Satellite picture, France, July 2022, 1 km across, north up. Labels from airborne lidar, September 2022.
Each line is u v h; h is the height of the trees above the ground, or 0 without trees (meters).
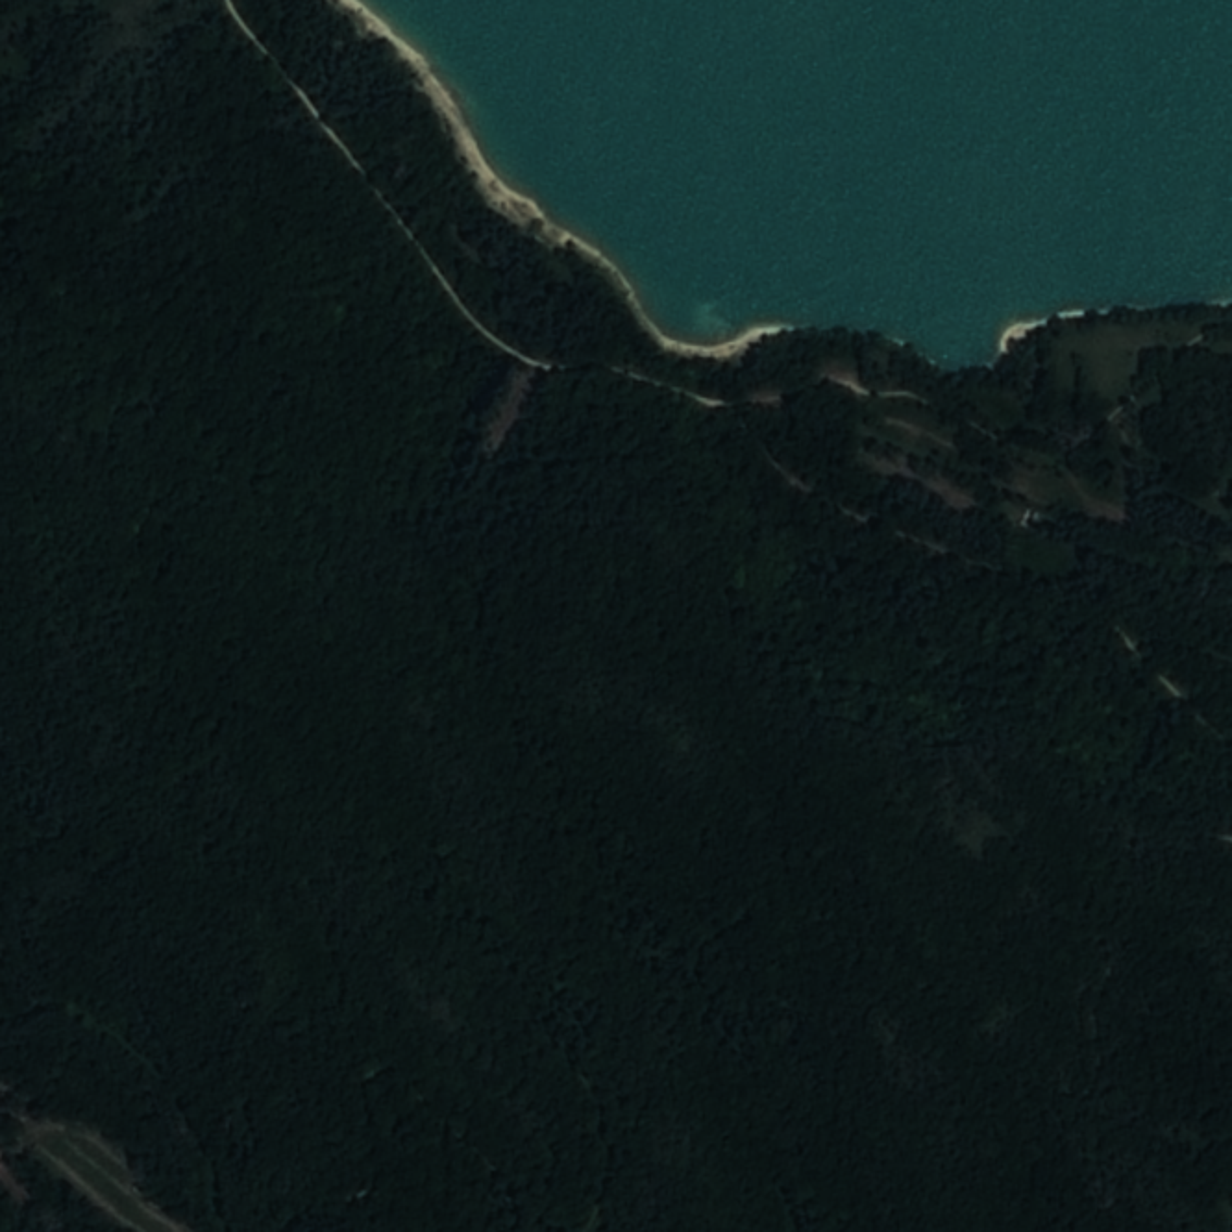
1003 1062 13
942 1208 15
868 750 10
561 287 15
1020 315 0
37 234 26
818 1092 15
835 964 14
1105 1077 11
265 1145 18
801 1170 24
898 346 11
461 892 16
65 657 15
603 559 17
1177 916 10
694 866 15
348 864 12
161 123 21
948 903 10
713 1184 14
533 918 11
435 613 17
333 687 17
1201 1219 11
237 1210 13
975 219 0
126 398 14
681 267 0
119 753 15
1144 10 0
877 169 0
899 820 13
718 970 19
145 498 22
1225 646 15
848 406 16
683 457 14
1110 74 0
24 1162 17
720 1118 18
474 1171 17
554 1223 18
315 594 20
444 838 17
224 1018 14
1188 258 0
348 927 15
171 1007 15
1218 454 8
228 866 18
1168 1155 13
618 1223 10
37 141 6
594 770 16
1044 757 15
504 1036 15
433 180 12
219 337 13
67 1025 21
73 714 14
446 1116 15
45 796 20
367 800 19
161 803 12
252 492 16
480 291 16
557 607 15
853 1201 18
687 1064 17
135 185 17
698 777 8
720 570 19
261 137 16
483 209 15
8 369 16
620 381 10
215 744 17
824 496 13
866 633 18
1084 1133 12
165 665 15
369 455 17
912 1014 12
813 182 0
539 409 9
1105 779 11
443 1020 8
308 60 9
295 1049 18
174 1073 15
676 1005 20
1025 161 0
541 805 20
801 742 10
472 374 9
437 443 14
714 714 13
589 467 17
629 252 0
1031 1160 14
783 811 19
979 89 0
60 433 10
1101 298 0
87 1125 18
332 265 12
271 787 16
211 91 17
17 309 22
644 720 12
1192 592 13
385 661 17
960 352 0
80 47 16
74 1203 26
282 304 14
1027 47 0
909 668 9
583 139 0
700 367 13
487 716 21
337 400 16
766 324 0
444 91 0
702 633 19
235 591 17
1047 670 22
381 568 10
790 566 13
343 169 15
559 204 0
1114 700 21
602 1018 16
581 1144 15
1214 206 0
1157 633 13
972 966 10
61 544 11
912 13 0
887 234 0
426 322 14
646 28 0
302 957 6
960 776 9
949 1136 10
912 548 10
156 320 18
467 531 17
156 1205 16
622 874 18
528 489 20
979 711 16
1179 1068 14
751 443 23
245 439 15
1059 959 12
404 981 9
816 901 16
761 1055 21
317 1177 20
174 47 11
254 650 16
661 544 11
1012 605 9
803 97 0
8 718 18
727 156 0
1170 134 0
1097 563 25
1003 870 13
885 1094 14
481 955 20
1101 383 0
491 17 0
